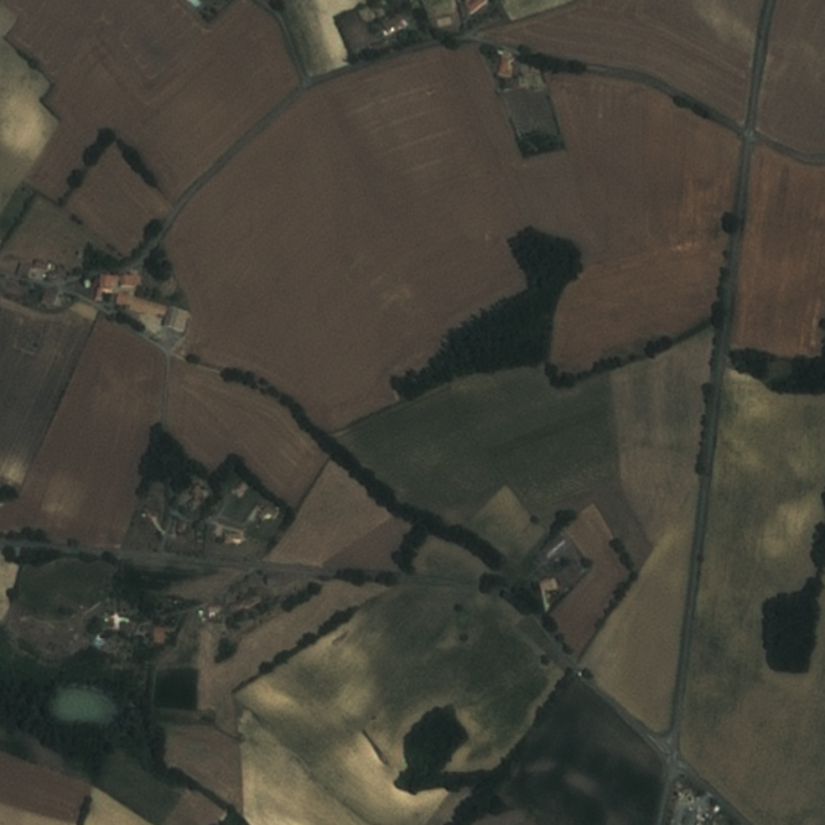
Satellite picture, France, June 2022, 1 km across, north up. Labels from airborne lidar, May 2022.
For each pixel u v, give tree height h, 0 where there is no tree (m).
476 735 0
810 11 0
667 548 0
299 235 0
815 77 0
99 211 0
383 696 0
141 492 9
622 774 0
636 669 0
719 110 0
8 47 0
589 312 0
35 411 0
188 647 0
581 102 0
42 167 0
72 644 0
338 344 0
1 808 0
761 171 0
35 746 0
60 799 0
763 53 0
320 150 0
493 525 0
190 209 0
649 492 0
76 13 0
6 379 0
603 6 0
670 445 0
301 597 7
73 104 0
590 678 13
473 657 0
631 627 0
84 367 0
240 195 0
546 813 0
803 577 0
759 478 0
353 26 0
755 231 0
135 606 8
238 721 0
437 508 0
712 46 0
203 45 0
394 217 0
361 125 0
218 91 0
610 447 0
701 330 0
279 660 12
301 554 0
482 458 0
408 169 0
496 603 0
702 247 0
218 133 0
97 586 0
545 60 19
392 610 0
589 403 0
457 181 0
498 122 0
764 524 0
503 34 0
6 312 0
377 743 0
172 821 0
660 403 0
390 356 0
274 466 0
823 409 0
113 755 20
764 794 0
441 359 16
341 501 0
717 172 0
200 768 0
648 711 0
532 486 0
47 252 0
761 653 0
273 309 0
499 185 0
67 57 0
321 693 0
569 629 0
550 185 0
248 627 0
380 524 0
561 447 0
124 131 0
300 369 0
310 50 0
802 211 0
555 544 0
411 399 10
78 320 0
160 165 0
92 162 16
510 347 17
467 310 0
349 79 0
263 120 0
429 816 0
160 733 13
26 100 0
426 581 0
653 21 0
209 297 0
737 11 0
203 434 0
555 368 11
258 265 0
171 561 0
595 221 0
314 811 0
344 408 0
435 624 0
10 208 0
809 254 0
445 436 0
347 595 0
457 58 0
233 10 0
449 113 0
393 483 0
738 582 0
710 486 0
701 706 0
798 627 20
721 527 0
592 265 0
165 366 0
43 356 0
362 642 0
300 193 0
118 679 7
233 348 0
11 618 0
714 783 0
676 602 0
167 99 0
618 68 0
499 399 0
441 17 0
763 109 0
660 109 0
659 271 0
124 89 0
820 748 0
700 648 0
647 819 0
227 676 0
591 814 0
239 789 0
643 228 0
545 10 0
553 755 0
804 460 0
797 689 0
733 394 0
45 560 12
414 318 0
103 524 0
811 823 0
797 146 0
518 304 15
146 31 0
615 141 0
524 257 16
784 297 0
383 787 0
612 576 0
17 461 0
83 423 0
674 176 0
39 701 28
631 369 0
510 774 9
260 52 0
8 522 0
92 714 0
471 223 0
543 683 0
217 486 15
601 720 0
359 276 0
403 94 0
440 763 14
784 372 0
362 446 0
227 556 0
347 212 0
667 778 0
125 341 0
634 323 0
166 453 15
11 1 0
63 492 0
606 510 0
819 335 0
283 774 0
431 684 0
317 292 0
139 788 0
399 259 0
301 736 0
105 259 8
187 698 0
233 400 0
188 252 0
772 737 0
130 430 0
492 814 16
